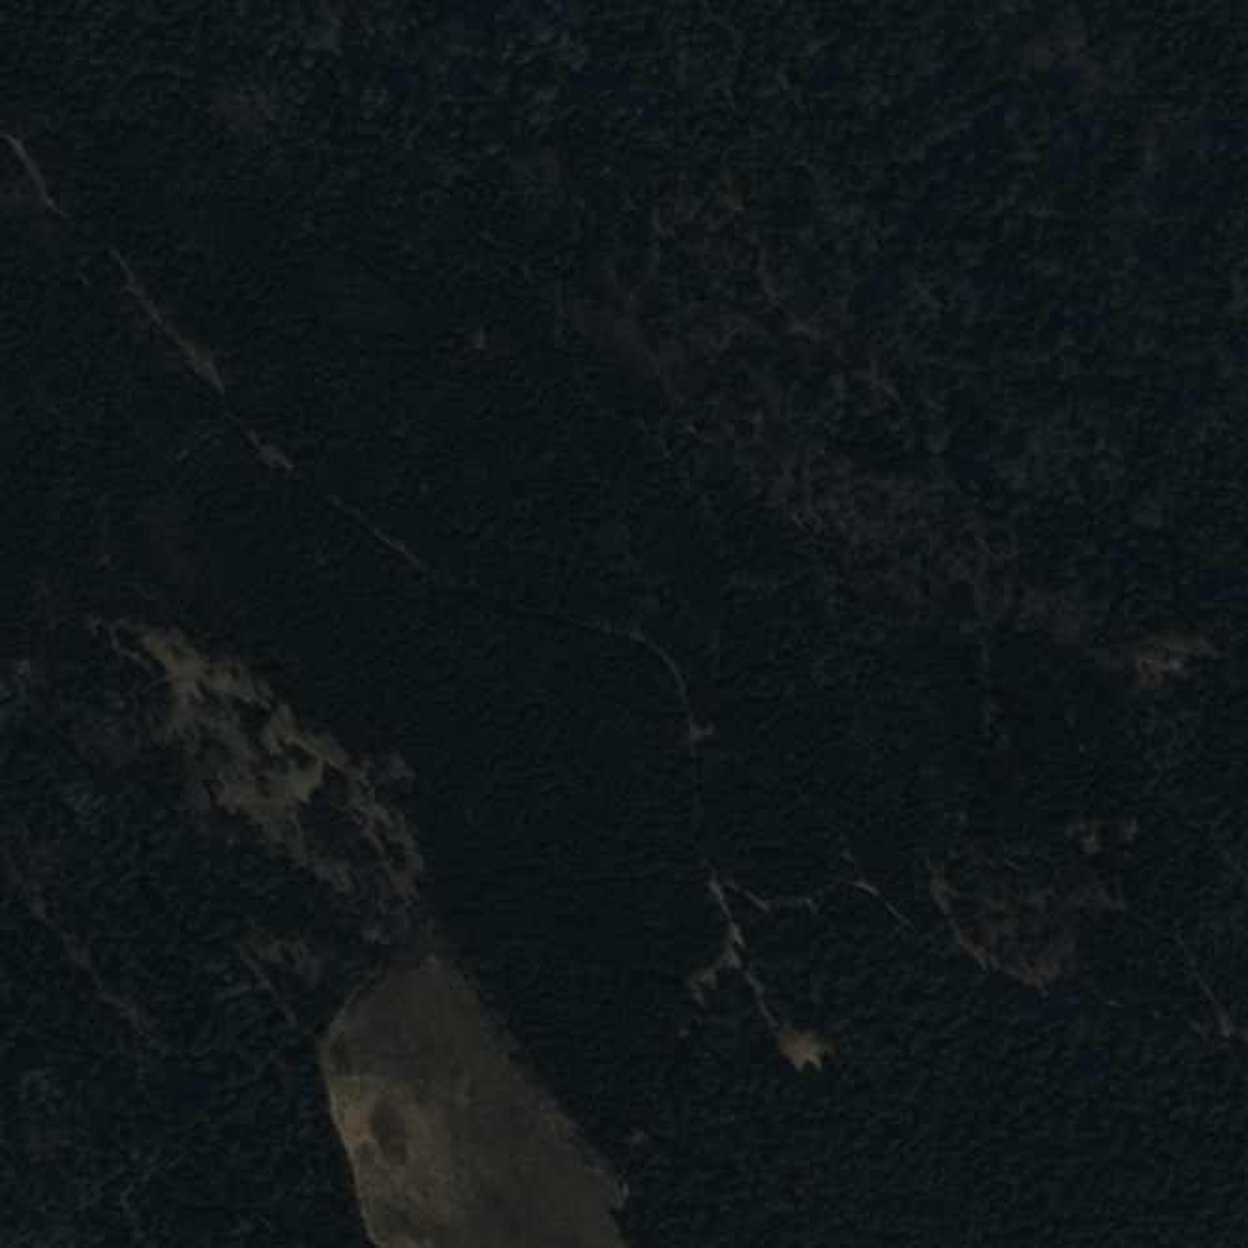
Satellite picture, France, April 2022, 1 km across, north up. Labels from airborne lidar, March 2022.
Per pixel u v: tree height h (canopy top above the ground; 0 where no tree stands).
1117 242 30
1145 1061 33
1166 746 13
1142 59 26
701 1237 33
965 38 31
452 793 15
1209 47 31
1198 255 21
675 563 14
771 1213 27
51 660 13
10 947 12
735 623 14
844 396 31
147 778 17
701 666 17
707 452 15
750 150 6
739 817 14
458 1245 0
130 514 22
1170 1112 32
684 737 23
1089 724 7
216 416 19
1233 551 18
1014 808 12
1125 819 12
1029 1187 29
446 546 21
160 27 8
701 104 28
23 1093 21
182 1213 12
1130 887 15
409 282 8
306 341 16
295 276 12
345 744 16
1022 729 14
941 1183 28
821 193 30
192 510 22
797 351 16
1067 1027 31
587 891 17
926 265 25
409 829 8
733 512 14
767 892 12
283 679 16
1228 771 14
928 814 15
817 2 26
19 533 19
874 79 30
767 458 8
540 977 15
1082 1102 30
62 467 21
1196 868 13
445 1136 0
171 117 23
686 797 23
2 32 30
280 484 19
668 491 11
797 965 11
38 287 21
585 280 14
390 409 10
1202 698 13
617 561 18
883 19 23
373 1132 0
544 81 20
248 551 23
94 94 14
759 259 40
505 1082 0
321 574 21
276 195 18
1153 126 25
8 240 23
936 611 9
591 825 8
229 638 17
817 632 13
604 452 19
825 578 7
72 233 24
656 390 14
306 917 13
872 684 13
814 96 22
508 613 22
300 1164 7
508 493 11
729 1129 35
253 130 21
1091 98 29
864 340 24
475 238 11
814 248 26
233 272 21
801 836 12
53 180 19
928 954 34
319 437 18
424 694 25
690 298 16
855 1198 30
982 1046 11
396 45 26
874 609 9
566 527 14
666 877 18
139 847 32
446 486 12
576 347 17
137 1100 37
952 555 35
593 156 31
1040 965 9
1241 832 12
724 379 11
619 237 14
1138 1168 32
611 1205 0
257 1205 13
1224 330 34
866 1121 16
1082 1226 32
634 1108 22
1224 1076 8
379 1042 0
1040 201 34
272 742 0
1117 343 38
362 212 16
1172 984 11
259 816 0
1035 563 28
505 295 10
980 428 26
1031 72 17
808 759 12
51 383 23
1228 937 9
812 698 12
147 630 18
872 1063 37
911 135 26
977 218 22
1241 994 9
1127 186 34
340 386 14
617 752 25
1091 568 12
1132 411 35
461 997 0
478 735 26
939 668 18
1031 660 13
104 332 24
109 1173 31
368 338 14
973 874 16
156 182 13
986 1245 10
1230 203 32
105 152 19
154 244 20
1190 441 29
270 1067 34
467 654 26
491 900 21
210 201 16
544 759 23
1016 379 27
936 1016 10
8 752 38
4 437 18
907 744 13
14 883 14
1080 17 27
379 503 18
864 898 12
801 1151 31
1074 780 12
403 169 12
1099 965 13
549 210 19
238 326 17
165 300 26
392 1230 0
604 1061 26
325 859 20
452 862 17
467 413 15
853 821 14
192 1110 33
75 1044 15
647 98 10
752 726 13
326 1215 14
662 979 22
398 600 22
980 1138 34
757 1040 12
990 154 15
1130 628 36
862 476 35
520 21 34
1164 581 39
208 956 18
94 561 18
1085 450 32
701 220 12
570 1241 0
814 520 6
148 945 33
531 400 20
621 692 16
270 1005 33
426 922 24
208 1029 29
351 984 23
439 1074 0
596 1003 26
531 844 18
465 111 12
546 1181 0
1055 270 25
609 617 17
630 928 19
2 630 19
